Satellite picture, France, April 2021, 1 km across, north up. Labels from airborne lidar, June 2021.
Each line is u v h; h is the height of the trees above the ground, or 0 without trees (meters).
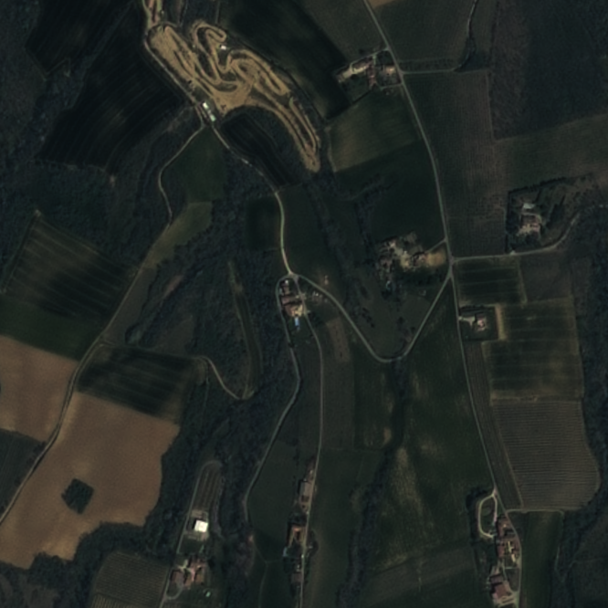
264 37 0
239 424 18
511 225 13
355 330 0
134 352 0
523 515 0
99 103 0
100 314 0
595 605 0
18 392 0
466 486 0
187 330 0
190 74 0
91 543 15
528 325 0
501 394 0
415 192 0
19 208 22
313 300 0
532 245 11
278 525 0
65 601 13
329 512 0
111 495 0
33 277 0
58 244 0
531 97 16
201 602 0
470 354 0
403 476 0
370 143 0
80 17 0
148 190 7
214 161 0
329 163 13
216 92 0
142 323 10
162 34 0
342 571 0
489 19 0
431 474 0
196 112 8
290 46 0
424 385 0
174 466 17
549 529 0
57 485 0
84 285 0
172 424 0
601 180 0
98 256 0
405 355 10
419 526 0
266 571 0
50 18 0
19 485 10
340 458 0
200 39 7
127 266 0
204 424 13
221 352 9
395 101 0
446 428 0
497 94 7
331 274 0
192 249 16
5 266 10
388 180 0
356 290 13
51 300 0
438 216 0
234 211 23
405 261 0
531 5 14
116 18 7
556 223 9
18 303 0
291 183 0
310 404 0
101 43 7
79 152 0
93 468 0
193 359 0
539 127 11
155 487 0
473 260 0
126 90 0
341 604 18
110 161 0
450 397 0
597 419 22
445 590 0
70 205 6
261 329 7
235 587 10
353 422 0
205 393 9
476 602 0
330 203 0
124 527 14
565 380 0
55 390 0
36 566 7
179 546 0
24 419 0
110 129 0
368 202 11
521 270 0
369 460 0
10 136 17
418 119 0
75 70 12
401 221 0
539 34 19
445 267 0
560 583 17
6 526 0
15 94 19
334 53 0
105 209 15
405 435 0
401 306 8
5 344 0
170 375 0
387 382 0
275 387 15
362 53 11
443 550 0
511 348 0
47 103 19
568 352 0
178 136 6
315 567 0
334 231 18
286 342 13
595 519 20
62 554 0
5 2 12
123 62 0
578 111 13
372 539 16
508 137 7
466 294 0
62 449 0
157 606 0
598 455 11
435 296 0
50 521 0
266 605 0
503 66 10
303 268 0
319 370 0
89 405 0
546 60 18
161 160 6
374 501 23
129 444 0
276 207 0
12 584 8
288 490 0
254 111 8
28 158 13
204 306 6
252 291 16
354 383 0
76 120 0
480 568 0
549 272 0
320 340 0
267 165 0
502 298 0
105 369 0
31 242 0
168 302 12
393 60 0
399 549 0
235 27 0
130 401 0
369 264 10
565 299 0
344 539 0
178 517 14
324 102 0
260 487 0
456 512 0
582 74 22
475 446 0
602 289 12
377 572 0
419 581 0
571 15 20
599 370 26
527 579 0
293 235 0
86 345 0
